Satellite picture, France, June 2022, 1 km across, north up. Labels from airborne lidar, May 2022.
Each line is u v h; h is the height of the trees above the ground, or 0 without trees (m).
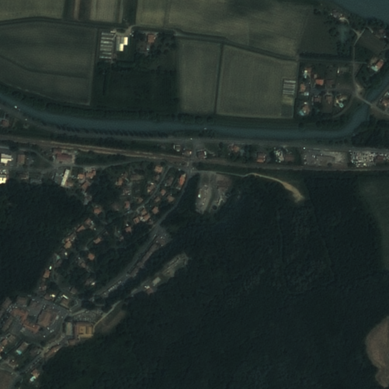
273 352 16
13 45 0
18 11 0
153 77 0
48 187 11
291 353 23
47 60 0
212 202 0
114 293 13
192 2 0
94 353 10
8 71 0
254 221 14
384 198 0
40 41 0
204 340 24
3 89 16
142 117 16
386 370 0
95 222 15
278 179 0
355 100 0
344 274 22
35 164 0
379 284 22
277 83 0
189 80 0
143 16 0
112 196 23
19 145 9
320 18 0
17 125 0
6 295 9
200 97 0
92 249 16
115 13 0
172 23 0
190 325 28
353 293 24
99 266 14
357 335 23
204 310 25
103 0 0
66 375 15
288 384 22
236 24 0
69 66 0
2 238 23
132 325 22
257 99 0
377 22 23
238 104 0
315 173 8
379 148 11
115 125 0
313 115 14
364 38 0
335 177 7
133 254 7
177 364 25
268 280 15
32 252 12
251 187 12
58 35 0
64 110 14
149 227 17
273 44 0
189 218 6
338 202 21
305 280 16
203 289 30
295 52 0
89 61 0
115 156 8
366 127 9
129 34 0
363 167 0
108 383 21
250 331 23
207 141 0
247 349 18
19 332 0
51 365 9
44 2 0
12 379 0
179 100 9
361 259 21
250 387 17
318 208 20
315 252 22
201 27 0
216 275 13
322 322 24
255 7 0
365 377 25
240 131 0
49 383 10
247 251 19
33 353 0
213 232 13
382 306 19
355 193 20
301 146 0
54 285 20
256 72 0
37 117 0
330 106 0
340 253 22
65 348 15
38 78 0
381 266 9
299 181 0
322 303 22
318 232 8
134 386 15
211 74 0
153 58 10
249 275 16
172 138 0
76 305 0
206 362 21
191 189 17
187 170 0
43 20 0
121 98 0
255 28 0
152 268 15
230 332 20
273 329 21
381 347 0
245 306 23
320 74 0
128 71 12
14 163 0
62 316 0
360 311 22
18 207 8
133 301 17
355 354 21
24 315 0
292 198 0
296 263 22
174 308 23
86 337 0
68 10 0
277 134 0
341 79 0
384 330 0
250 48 0
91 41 0
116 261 16
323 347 24
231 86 0
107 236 23
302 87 0
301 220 14
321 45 0
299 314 26
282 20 0
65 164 0
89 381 0
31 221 16
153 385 26
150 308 22
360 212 21
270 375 20
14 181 20
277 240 13
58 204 20
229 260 15
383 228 0
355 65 0
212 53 0
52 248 18
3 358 11
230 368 19
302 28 0
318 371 27
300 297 17
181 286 27
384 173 9
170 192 10
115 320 0
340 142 6
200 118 13
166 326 29
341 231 21
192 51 0
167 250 12
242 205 17
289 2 0
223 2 0
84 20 0
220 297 18
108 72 14
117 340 7
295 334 24
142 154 0
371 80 19
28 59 0
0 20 0
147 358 26
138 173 12
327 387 30
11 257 8
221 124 0
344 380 27
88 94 0
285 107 0
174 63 0
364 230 20
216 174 0
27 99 16
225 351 15
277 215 22
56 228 14
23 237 18
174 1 0
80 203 16
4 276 13
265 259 17
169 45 11
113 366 10
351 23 7
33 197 19
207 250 26
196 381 24
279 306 18
